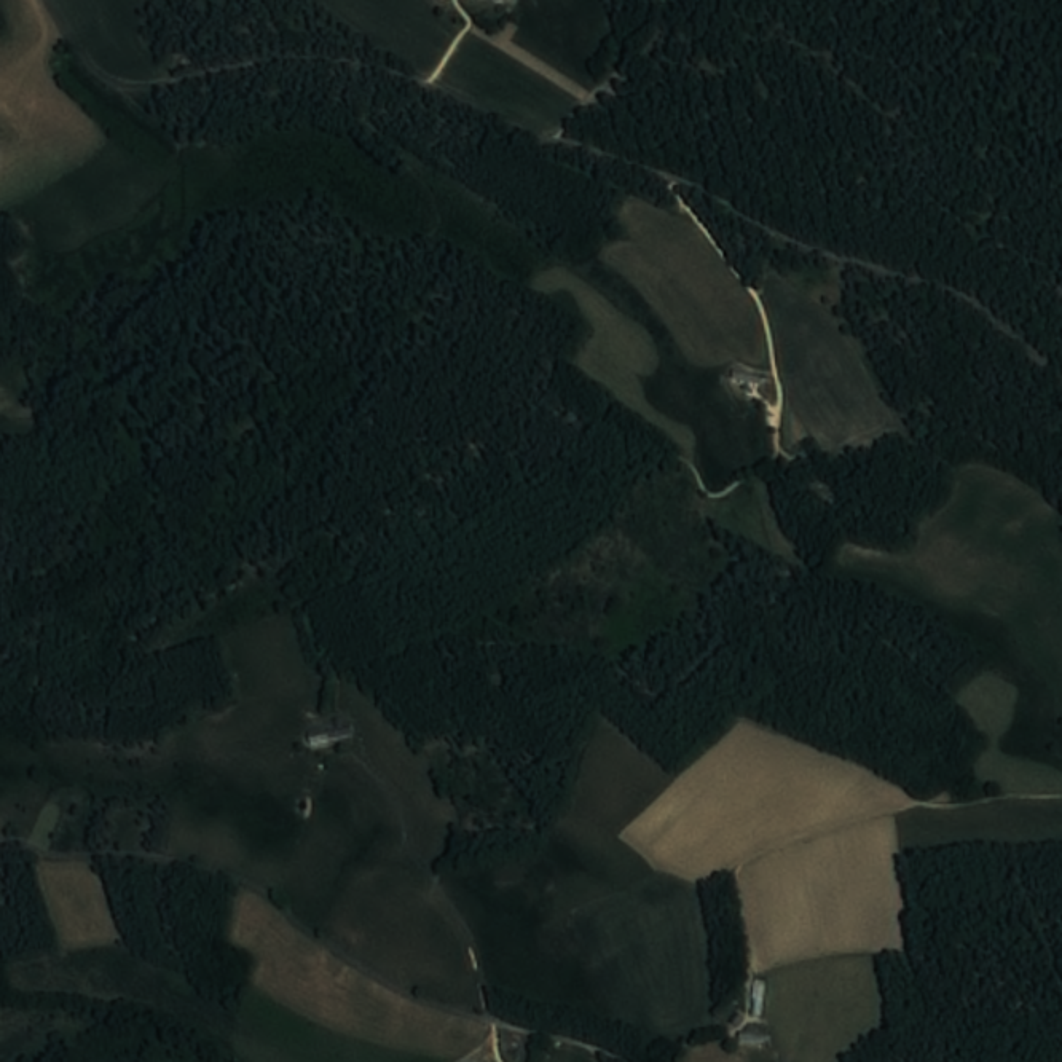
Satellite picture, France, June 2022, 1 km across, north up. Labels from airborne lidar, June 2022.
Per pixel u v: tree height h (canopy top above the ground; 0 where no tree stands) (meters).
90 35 0
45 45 0
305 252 21
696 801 0
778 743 0
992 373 17
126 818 0
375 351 14
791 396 0
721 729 27
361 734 0
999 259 14
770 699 18
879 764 21
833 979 0
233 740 0
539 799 25
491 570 27
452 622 25
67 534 18
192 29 14
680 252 0
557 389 19
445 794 18
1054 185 23
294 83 18
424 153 16
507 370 23
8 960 19
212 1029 0
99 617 10
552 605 11
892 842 0
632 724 25
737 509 0
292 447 16
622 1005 0
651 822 0
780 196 14
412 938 0
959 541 0
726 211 15
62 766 0
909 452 12
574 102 0
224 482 28
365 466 28
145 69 0
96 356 15
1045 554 0
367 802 0
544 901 0
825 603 19
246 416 12
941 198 17
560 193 16
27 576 13
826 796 0
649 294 0
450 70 0
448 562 24
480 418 27
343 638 18
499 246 6
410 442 25
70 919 0
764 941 0
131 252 0
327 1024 0
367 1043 0
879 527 17
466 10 0
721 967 15
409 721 16
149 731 18
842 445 0
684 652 28
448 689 20
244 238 25
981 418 15
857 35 23
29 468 19
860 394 0
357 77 21
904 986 21
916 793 17
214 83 20
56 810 0
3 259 22
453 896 0
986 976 21
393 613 22
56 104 0
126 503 12
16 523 12
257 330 12
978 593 0
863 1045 13
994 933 17
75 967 0
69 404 30
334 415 8
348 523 26
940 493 16
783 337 0
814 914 0
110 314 18
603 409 24
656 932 0
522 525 24
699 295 0
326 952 0
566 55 0
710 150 19
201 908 14
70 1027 0
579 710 26
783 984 0
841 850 0
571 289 0
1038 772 0
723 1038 17
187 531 13
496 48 0
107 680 16
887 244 17
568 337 26
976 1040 28
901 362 19
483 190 19
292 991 0
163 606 10
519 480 21
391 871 0
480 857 26
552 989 0
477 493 22
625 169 16
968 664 24
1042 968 24
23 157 0
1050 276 19
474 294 25
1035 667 0
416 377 31
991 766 0
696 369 0
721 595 24
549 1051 15
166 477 28
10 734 12
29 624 21
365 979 0
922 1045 22
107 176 0
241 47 18
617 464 22
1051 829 0
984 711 0
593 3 0
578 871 0
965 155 19
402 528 21
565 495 25
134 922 23
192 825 0
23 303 21
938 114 14
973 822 0
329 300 16
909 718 21
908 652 17
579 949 0
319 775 0
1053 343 18
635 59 23
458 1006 0
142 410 30
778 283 0
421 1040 0
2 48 0
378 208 8
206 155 0
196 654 21
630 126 20
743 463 0
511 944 0
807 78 19
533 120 0
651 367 0
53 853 0
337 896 0
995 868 31
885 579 0
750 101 14
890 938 0
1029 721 0
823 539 18
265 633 0
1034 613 0
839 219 16
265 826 0
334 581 22
